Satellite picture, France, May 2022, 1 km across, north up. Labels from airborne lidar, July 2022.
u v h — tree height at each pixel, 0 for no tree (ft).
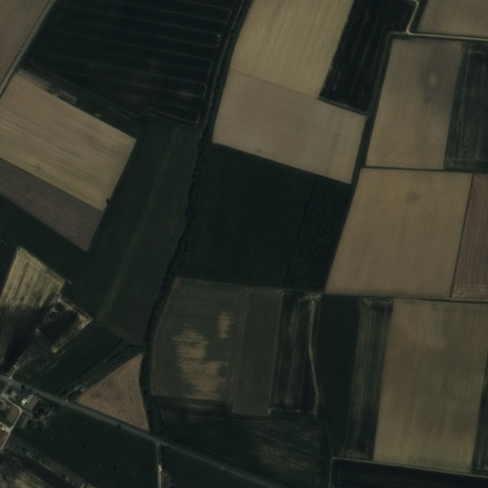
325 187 28
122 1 0
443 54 0
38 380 0
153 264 0
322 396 0
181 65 0
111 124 0
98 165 0
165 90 0
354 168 0
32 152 0
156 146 0
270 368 0
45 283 0
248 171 0
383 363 0
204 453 0
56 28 0
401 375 0
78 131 0
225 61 32
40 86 0
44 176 0
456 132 0
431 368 0
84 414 0
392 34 0
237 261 0
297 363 0
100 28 0
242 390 0
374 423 0
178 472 0
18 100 0
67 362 0
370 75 0
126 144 0
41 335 0
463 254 0
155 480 0
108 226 0
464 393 0
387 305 0
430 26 0
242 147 0
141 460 0
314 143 0
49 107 0
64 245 0
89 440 0
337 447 0
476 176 0
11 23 0
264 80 0
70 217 0
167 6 0
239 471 0
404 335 0
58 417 0
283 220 0
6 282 0
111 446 0
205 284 0
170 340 0
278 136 0
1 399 0
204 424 0
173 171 0
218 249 0
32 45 0
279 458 0
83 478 0
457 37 0
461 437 0
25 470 0
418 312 0
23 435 0
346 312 0
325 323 0
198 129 0
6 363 0
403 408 0
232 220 0
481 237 0
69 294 0
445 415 0
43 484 0
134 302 0
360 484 0
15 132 0
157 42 0
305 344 0
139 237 0
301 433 0
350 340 0
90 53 0
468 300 0
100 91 0
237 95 0
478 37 0
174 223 0
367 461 0
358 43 0
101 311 0
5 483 0
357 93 0
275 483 0
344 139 0
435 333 0
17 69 0
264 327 0
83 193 0
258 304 0
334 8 0
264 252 0
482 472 0
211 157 0
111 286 0
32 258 0
